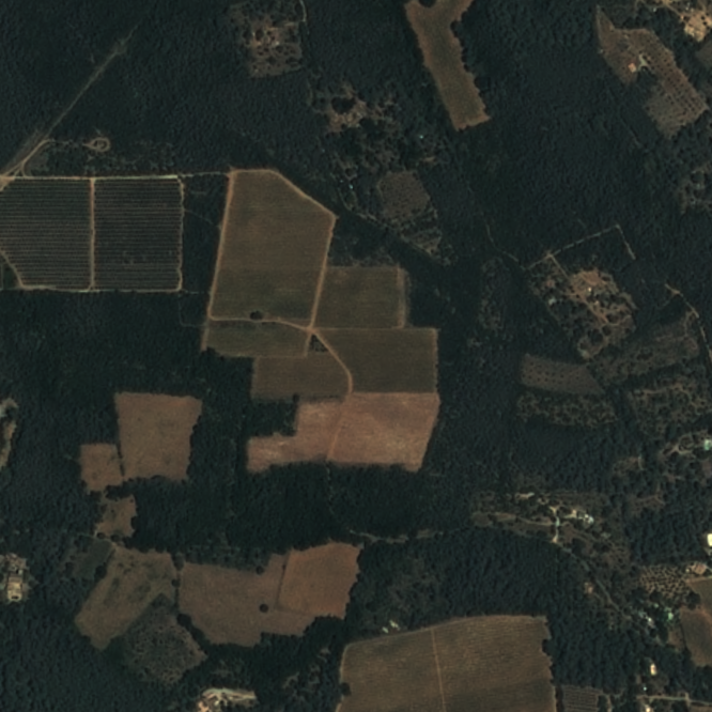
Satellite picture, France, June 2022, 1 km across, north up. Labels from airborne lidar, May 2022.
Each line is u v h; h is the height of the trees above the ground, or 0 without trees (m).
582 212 5
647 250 6
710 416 13
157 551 7
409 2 13
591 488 17
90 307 9
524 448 8
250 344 0
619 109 14
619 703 6
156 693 10
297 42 13
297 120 13
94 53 6
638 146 9
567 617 24
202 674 15
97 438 15
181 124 11
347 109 14
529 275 6
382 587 7
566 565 16
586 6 13
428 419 6
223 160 12
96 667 17
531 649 0
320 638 12
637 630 8
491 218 5
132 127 6
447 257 7
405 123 20
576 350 6
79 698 13
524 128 11
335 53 11
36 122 12
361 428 6
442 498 10
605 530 10
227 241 0
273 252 0
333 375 0
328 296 0
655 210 6
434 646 0
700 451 7
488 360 12
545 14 12
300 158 10
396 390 0
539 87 14
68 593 19
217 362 6
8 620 11
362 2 8
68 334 11
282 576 0
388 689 0
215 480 16
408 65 9
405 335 0
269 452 6
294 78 12
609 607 7
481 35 12
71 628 19
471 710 0
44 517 13
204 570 0
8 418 8
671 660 18
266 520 11
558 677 18
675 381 6
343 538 13
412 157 13
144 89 7
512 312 6
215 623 0
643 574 16
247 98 14
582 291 0
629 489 15
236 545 13
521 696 0
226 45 9
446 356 6
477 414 13
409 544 12
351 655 0
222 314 0
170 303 8
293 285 0
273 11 15
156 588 0
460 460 14
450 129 10
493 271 6
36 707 14
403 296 0
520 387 8
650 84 15
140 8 6
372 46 9
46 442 15
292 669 13
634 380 6
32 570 9
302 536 12
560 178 14
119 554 0
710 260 14
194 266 6
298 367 0
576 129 17
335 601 0
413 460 7
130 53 8
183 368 6
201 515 6
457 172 11
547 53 14
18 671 16
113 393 8
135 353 7
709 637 0
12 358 10
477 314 5
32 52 7
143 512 13
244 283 0
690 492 17
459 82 0
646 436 11
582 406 5
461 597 16
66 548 20
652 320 7
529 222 8
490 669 0
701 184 18
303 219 0
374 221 8
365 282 0
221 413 10
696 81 14
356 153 11
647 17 18
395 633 0
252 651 11
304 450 6
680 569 7
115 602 0
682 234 9
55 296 6
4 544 7
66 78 7
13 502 17
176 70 9
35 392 17
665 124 0
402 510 7
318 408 6
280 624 0
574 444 14
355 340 0
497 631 0
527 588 17
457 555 17
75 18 10
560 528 7
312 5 10
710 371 6
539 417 6
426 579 12
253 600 0
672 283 11
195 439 16
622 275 16
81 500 16
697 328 6
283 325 0
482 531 19
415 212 6
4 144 11
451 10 0
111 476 0
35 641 20
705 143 19
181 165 11
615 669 21
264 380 0
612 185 14
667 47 13
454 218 9
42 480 18
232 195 0
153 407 0
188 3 6
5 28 11
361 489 9
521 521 7
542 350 11
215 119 11
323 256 0
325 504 7
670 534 20
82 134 12
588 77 12
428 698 0
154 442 0
